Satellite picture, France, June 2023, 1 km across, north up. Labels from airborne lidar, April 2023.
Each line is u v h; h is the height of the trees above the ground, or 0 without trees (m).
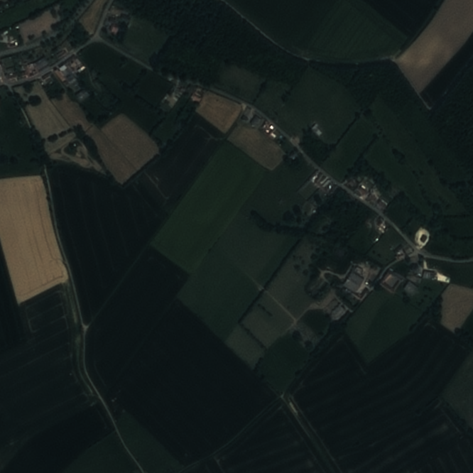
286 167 0
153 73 0
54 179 0
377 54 0
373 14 0
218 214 0
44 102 0
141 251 0
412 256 0
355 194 0
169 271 0
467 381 0
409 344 0
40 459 0
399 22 0
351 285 0
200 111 0
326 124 0
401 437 0
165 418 0
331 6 0
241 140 0
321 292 6
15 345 0
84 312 0
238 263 0
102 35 0
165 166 0
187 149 0
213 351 0
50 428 0
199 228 0
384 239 0
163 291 0
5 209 0
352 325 0
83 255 0
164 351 0
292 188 0
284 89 0
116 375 0
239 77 0
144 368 0
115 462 0
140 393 0
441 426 0
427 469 0
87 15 0
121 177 0
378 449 0
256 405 0
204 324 0
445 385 0
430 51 0
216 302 0
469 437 0
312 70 0
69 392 0
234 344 0
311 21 0
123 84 7
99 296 0
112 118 0
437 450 0
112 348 0
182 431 0
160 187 0
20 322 0
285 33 0
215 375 0
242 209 0
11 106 0
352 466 0
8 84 0
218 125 0
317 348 12
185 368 0
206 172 0
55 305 0
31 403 0
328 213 7
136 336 0
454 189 12
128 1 15
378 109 0
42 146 10
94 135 0
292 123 0
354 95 14
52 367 0
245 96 0
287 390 0
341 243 7
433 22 0
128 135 0
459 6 0
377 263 7
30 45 0
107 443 0
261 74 15
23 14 0
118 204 0
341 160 0
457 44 0
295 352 0
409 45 0
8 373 0
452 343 0
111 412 0
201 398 0
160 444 0
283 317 0
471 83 13
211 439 0
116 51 0
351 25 0
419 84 0
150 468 0
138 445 0
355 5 0
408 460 0
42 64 0
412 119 0
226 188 0
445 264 0
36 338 0
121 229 0
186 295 0
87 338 0
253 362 0
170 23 9
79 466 0
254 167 0
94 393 0
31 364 0
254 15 0
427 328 0
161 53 13
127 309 0
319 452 0
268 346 0
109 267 0
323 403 0
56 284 0
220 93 0
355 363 0
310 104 0
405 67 0
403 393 0
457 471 0
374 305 0
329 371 0
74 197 0
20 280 0
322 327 0
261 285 0
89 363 0
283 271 0
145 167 8
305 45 0
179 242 0
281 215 0
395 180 0
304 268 0
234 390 0
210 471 0
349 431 0
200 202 0
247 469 0
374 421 0
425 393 0
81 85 11
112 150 0
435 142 0
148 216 0
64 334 0
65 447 0
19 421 0
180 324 0
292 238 0
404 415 0
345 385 0
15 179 0
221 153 0
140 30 0
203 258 0
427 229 14
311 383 0
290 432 0
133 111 0
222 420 0
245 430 0
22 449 0
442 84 0
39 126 0
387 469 0
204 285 0
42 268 0
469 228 0
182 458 0
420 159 0
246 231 0
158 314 0
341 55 0
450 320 0
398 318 0
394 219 0
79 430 0
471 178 15
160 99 0
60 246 0
